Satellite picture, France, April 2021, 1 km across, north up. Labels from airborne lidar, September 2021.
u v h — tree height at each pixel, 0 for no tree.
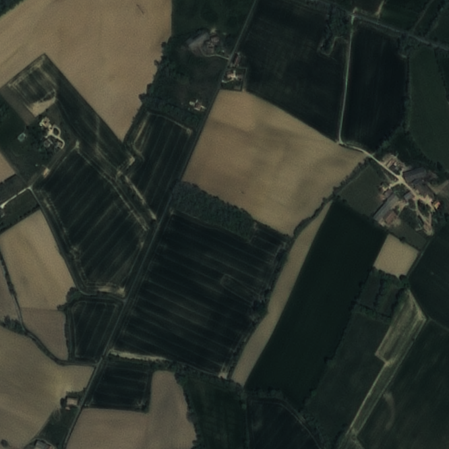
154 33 0
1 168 0
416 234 0
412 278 0
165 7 0
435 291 0
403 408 0
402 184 0
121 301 0
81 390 0
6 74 0
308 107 0
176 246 0
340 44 0
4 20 0
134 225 0
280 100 0
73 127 0
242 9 0
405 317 0
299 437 0
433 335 0
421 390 0
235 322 0
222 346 0
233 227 17
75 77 0
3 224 8
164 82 8
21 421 0
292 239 8
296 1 0
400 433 0
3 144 0
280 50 0
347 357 0
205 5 0
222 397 0
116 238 0
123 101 0
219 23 0
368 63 0
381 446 0
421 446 0
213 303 0
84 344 0
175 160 0
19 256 0
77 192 0
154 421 0
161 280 0
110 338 0
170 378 0
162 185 0
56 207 0
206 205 19
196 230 0
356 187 0
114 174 0
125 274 0
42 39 0
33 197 0
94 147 0
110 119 0
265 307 17
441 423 0
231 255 0
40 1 0
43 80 0
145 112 0
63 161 0
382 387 0
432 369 0
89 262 0
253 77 0
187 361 0
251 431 0
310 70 0
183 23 0
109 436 0
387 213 0
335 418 0
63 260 0
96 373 0
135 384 0
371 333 0
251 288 0
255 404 0
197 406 0
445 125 0
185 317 0
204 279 0
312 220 9
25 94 0
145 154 0
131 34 0
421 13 10
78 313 0
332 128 0
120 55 0
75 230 0
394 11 0
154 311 0
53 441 0
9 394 0
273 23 0
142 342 0
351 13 0
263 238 0
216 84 0
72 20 0
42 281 0
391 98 0
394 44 0
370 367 0
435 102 0
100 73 0
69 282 0
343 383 0
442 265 0
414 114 0
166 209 0
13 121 0
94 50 0
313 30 0
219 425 0
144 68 0
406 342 0
